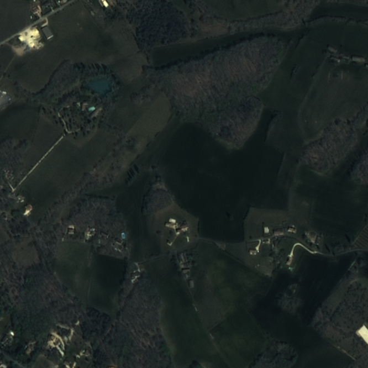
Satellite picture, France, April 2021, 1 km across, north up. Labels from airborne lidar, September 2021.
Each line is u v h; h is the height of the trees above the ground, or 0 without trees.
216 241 0
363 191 0
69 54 0
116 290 0
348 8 0
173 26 24
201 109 24
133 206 0
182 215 0
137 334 14
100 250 13
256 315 0
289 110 0
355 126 19
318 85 0
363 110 14
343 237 0
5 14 0
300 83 0
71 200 19
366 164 20
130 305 19
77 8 0
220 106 25
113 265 0
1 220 22
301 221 0
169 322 0
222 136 10
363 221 0
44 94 21
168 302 0
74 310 12
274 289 0
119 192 0
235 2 0
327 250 0
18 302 22
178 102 21
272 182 0
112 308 0
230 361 0
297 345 0
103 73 13
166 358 12
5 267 17
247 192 0
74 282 0
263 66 18
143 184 0
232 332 0
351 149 18
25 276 7
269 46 20
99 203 18
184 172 0
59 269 0
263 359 15
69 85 18
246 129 16
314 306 0
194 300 0
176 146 0
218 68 21
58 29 0
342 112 0
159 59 0
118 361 18
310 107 0
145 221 0
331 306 0
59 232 18
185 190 0
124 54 0
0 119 0
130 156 0
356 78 0
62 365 9
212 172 0
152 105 0
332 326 7
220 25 16
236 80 20
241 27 17
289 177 0
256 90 18
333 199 0
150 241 0
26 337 19
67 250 0
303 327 0
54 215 14
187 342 0
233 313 0
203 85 12
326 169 19
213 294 0
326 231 0
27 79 0
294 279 0
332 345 0
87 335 17
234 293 0
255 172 0
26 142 14
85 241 8
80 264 0
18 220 16
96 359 18
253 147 0
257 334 0
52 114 11
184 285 0
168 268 0
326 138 20
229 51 16
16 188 10
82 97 10
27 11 0
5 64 0
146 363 14
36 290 19
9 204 16
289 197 0
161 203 18
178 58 0
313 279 0
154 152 0
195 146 0
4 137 0
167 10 19
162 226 0
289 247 0
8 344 8
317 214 0
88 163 0
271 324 0
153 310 19
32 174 0
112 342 15
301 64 0
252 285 0
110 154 0
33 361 11
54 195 0
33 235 15
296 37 0
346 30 0
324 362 0
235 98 28
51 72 0
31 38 0
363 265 10
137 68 0
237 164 0
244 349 0
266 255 0
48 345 0
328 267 0
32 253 0
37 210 0
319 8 0
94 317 19
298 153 0
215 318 0
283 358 15
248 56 20
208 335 0
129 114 0
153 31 21
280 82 0
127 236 0
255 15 0
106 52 0
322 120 0
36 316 19
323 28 0
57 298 9
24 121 0
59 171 0
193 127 0
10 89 0
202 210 0
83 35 0
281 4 19
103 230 15
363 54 0
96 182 15
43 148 0
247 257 0
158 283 0
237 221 0
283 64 0
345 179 0
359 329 0
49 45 0
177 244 0
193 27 18
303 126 0
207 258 0
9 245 16
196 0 13
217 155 0
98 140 0
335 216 0
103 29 0
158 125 0
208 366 0
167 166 0
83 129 12
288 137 0
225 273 0
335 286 0
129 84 0
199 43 0
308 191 0
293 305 16
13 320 20
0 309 7
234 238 0
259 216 0
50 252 17
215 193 0
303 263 0
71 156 0
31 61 0
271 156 0
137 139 0
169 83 17
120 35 0
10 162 18
